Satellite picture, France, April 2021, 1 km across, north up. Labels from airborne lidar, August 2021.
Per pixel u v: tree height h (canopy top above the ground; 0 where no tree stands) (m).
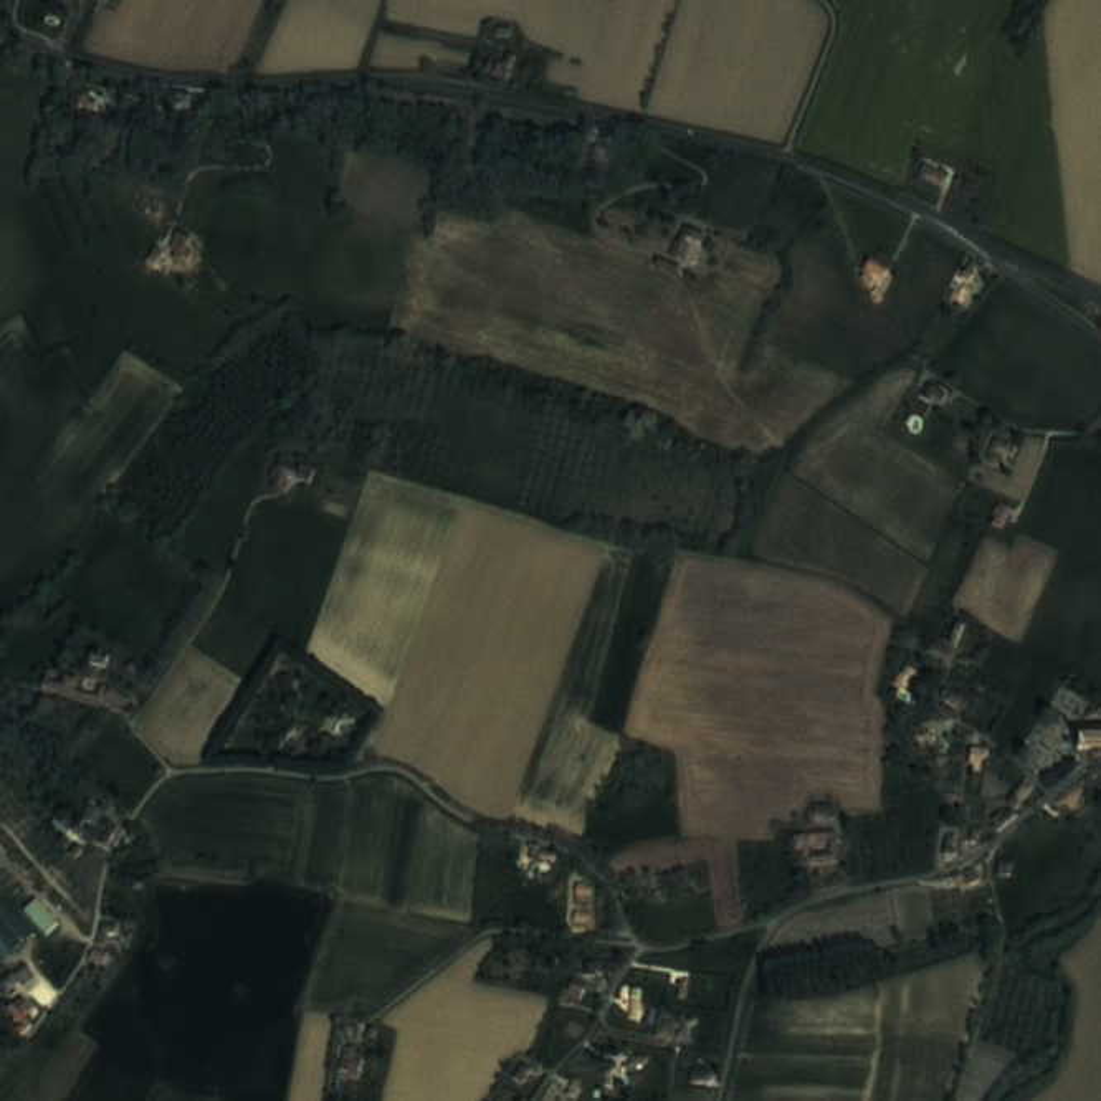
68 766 19
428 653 0
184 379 8
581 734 0
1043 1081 9
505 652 0
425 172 0
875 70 0
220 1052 0
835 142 0
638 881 17
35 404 0
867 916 0
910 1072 0
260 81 0
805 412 0
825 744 0
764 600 0
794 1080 0
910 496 0
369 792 0
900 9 0
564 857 14
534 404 12
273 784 0
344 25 0
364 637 0
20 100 0
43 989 0
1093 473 0
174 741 0
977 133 0
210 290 0
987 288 6
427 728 0
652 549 20
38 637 0
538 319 0
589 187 18
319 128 17
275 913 0
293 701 14
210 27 0
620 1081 8
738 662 0
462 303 0
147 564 0
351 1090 8
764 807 0
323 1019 0
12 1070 0
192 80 0
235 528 0
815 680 0
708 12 0
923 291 0
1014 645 0
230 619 0
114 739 0
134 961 0
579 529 13
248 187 14
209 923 0
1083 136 0
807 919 0
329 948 0
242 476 0
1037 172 0
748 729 0
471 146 10
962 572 0
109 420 0
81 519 0
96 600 0
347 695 11
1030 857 0
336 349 18
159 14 0
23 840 12
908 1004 0
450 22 0
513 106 0
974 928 15
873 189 0
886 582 0
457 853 0
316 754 16
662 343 0
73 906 11
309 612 0
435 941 0
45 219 0
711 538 13
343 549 0
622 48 0
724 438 0
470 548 0
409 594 0
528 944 6
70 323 0
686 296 0
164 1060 0
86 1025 0
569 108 0
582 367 0
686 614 0
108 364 0
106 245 0
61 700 6
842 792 0
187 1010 0
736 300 0
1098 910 12
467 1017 0
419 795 0
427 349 7
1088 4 0
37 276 0
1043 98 0
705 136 0
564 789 0
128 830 8
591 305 0
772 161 0
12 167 0
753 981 0
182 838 0
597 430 19
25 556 0
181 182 20
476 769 0
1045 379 0
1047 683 0
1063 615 0
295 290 0
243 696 13
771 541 0
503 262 0
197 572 14
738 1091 0
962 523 0
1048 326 0
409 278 0
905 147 0
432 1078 0
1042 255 0
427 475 6
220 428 9
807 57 0
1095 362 0
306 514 0
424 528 0
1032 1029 10
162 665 14
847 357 0
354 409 14
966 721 6
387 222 0
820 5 0
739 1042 0
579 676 0
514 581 0
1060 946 0
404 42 0
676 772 0
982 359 0
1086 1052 0
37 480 0
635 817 0
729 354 0
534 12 0
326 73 0
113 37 0
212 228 0
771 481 18
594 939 7
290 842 0
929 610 0
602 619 0
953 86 0
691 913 0
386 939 0
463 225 0
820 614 0
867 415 0
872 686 0
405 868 0
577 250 0
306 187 0
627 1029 0
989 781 0
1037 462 0
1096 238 0
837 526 0
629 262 0
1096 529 0
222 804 0
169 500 11
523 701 0
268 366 6
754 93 0
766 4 0
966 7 0
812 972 30
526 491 8
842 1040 0
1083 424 0
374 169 0
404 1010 0
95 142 18
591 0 0
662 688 0
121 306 0
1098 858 0
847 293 0
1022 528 0
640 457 6
